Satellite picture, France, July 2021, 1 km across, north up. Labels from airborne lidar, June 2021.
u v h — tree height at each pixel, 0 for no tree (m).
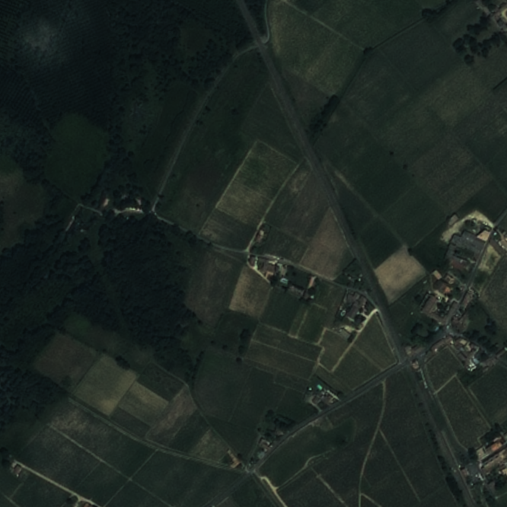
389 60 0
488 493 9
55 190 8
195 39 0
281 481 0
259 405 0
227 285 0
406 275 0
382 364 0
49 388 16
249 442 0
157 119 0
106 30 24
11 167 0
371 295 0
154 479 0
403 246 0
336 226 0
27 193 0
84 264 15
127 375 0
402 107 0
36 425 0
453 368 0
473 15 0
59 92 22
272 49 0
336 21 0
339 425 0
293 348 0
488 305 0
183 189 0
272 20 0
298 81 0
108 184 22
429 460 0
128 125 0
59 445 0
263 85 0
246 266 0
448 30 0
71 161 0
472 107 0
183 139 0
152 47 15
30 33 20
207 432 0
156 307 25
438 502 0
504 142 0
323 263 0
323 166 0
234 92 0
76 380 0
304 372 0
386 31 0
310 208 0
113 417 0
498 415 0
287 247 0
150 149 0
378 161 0
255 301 0
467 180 0
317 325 0
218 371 0
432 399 0
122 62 21
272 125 0
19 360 13
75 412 0
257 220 0
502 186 0
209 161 0
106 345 0
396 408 0
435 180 0
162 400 0
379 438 0
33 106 17
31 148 29
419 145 0
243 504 0
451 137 0
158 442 0
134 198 12
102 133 0
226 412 0
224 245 0
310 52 0
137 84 17
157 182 0
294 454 0
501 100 0
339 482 0
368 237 0
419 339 9
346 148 0
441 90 0
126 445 0
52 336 11
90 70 25
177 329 17
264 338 0
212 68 10
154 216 17
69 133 0
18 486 0
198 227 0
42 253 10
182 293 17
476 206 0
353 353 0
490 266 0
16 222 0
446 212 0
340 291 0
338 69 0
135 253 24
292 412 0
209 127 0
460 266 0
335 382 0
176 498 0
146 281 18
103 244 20
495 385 0
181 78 15
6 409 17
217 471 0
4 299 26
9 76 23
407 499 0
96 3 24
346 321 0
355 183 0
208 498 0
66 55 24
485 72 0
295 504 0
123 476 0
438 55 0
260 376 0
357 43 0
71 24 24
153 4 18
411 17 0
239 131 0
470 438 0
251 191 0
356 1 0
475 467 0
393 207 0
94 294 23
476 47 11
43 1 22
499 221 0
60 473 0
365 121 0
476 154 0
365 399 0
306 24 0
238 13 7
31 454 0
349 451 0
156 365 0
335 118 0
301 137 0
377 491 0
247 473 0
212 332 0
